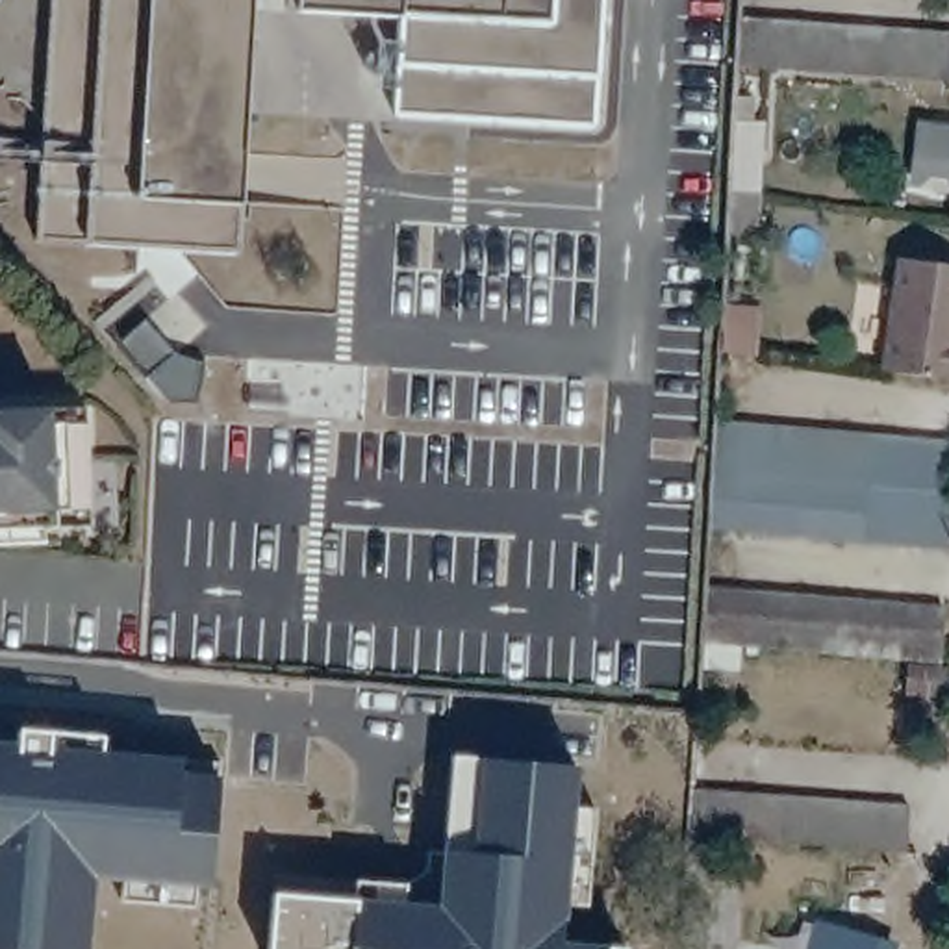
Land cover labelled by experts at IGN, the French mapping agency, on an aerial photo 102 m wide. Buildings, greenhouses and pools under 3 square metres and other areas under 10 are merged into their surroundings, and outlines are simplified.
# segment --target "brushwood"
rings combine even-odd
[[[775,938],[749,942],[745,949],[808,949],[816,923],[812,908],[823,908],[819,897],[793,893],[790,912],[782,912],[771,923]]]
[[[133,426],[108,397],[93,393],[85,393],[85,408],[96,408],[96,460],[115,460],[122,471],[119,526],[108,526],[108,512],[96,512],[96,534],[89,541],[59,538],[67,556],[126,560],[126,552],[133,549]]]
[[[504,671],[411,671],[378,664],[352,667],[289,656],[215,652],[222,671],[278,678],[337,678],[367,686],[426,686],[456,690],[456,701],[508,701],[549,708],[560,697],[582,704],[675,708],[686,712],[686,719],[701,715],[712,704],[734,704],[741,715],[753,708],[753,697],[738,686],[723,686],[719,675],[701,664],[704,641],[712,589],[712,578],[719,575],[715,567],[708,567],[708,526],[712,434],[715,423],[738,423],[741,408],[734,393],[730,363],[723,352],[723,315],[715,323],[701,319],[701,367],[686,371],[697,389],[701,423],[693,437],[697,452],[690,460],[690,486],[697,486],[697,497],[686,500],[693,523],[686,549],[690,589],[682,682],[656,693],[612,693],[608,686],[601,690],[593,678],[534,678],[530,671],[526,678],[512,682]]]
[[[871,363],[867,352],[860,352],[853,360],[853,371],[845,374],[897,382],[905,371],[882,363]]]
[[[808,341],[764,337],[760,352],[760,363],[767,367],[801,371],[819,352]]]
[[[905,230],[912,226],[934,237],[949,237],[949,200],[916,204],[905,189],[897,193],[897,200],[886,204],[879,219],[893,219]]]
[[[764,185],[760,219],[775,215],[782,204],[804,208],[812,215],[864,211],[864,200],[856,196],[823,196]]]
[[[701,219],[723,234],[730,193],[734,96],[734,78],[738,15],[745,15],[749,4],[741,0],[727,0],[727,11],[715,15],[719,63],[701,63],[708,78],[715,78],[719,96],[719,122],[708,137],[712,171],[704,174],[715,182],[715,193],[704,196]]]

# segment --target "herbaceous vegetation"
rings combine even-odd
[[[560,697],[549,708],[556,723],[586,723],[589,745],[578,767],[589,790],[586,808],[593,808],[597,816],[597,871],[593,905],[571,916],[567,934],[575,942],[601,942],[608,949],[612,949],[619,934],[612,916],[604,912],[604,890],[615,890],[615,901],[626,905],[634,897],[630,886],[652,823],[697,819],[697,790],[701,778],[693,775],[693,753],[704,745],[686,719],[686,712],[675,708],[582,704]]]
[[[271,949],[271,905],[282,890],[348,893],[356,879],[404,879],[411,886],[434,879],[441,882],[452,760],[460,753],[426,727],[426,775],[423,790],[415,793],[408,841],[363,834],[367,823],[356,816],[356,760],[330,738],[308,738],[300,778],[234,775],[222,782],[215,879],[196,886],[204,901],[196,908],[126,908],[119,890],[111,890],[111,879],[104,875],[96,882],[93,949]]]
[[[760,645],[756,656],[741,660],[741,671],[719,675],[723,686],[738,686],[753,697],[753,708],[741,715],[723,730],[723,741],[841,756],[897,756],[901,741],[908,741],[930,723],[949,745],[949,682],[938,686],[934,697],[908,697],[912,675],[905,660],[897,664],[838,656],[827,652],[827,645]]]
[[[200,400],[174,404],[152,378],[133,371],[133,363],[115,348],[111,330],[96,334],[104,356],[93,393],[108,397],[133,426],[141,419],[178,419],[182,430],[241,426],[248,408],[248,400],[241,400],[241,386],[248,382],[245,356],[204,356]]]
[[[756,382],[767,367],[760,363],[760,352],[730,363],[734,393]]]
[[[41,237],[41,167],[22,167],[19,159],[7,159],[0,167],[0,230],[26,252],[33,267],[44,271],[44,278],[56,282],[59,297],[67,297],[74,315],[93,330],[96,319],[119,297],[130,293],[130,285],[100,293],[89,285],[93,274],[133,271],[137,256],[89,252],[85,237]]]
[[[608,185],[608,178],[619,167],[623,137],[615,133],[612,141],[593,145],[589,133],[400,122],[382,148],[389,163],[404,174],[452,174],[456,163],[467,163],[467,178],[500,178],[504,171],[512,171],[523,182],[567,189],[593,189],[593,182]]]
[[[741,575],[738,552],[730,549],[738,534],[708,526],[708,567],[715,567],[719,575]]]
[[[348,130],[334,133],[330,119],[256,115],[252,133],[248,156],[345,159],[348,148]]]
[[[867,849],[797,853],[760,841],[753,849],[764,860],[764,879],[738,886],[741,938],[749,942],[775,938],[771,923],[782,912],[790,912],[793,893],[819,897],[823,908],[845,908],[849,886],[882,864]]]
[[[478,411],[452,411],[452,423],[423,423],[419,411],[393,415],[386,393],[386,367],[371,367],[367,411],[348,423],[348,434],[463,434],[463,441],[563,449],[608,445],[608,386],[597,374],[575,378],[575,397],[586,400],[582,426],[567,426],[563,415],[560,423],[541,419],[538,430],[530,430],[519,423],[482,423]]]
[[[252,241],[297,234],[308,252],[308,278],[293,282],[285,271],[267,271],[259,252],[252,248],[241,259],[189,263],[196,282],[208,285],[219,300],[271,300],[337,311],[341,204],[245,204],[237,215],[248,226]]]
[[[764,163],[764,185],[823,196],[856,196],[856,189],[845,185],[845,178],[838,174],[834,133],[841,126],[856,122],[886,130],[893,148],[912,156],[919,122],[949,122],[949,82],[845,70],[793,74],[778,82],[775,133],[771,156]]]
[[[756,326],[764,330],[764,337],[808,341],[808,334],[823,334],[849,319],[856,304],[856,282],[882,285],[882,256],[897,263],[949,263],[949,237],[934,237],[912,226],[905,230],[893,219],[879,219],[864,211],[812,215],[804,208],[782,204],[775,215],[775,226],[790,237],[790,248],[775,259],[771,289],[760,297],[741,297],[741,308],[756,308]]]
[[[0,319],[0,411],[85,408],[85,393],[78,393],[63,374],[52,371],[56,356],[41,345],[30,323],[22,323],[19,315]]]

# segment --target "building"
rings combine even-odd
[[[19,159],[22,167],[41,167],[41,237],[85,237],[89,252],[137,256],[141,245],[182,248],[189,263],[241,259],[252,248],[252,241],[248,226],[237,215],[245,204],[248,156],[252,133],[241,130],[241,122],[245,111],[252,111],[252,104],[245,100],[245,59],[256,59],[256,52],[248,48],[248,22],[256,22],[259,0],[52,0],[44,145],[19,148],[15,141],[0,137],[0,167],[7,159]]]
[[[871,938],[834,923],[816,923],[808,949],[897,949],[890,934]]]
[[[119,753],[104,730],[22,727],[15,741],[0,745],[0,949],[93,949],[96,882],[104,875],[111,879],[111,890],[119,890],[126,908],[196,908],[204,901],[196,886],[215,879],[222,782],[215,764],[185,775],[185,756]]]
[[[949,200],[949,122],[919,122],[912,156],[905,189],[916,204]]]
[[[949,552],[949,449],[945,437],[882,437],[738,423],[715,423],[712,434],[708,526],[738,534]]]
[[[756,74],[760,82],[767,82],[775,67],[793,67],[793,74],[845,70],[949,82],[949,33],[745,15],[738,15],[734,78],[749,82],[749,74]]]
[[[697,882],[701,897],[686,912],[686,930],[660,934],[656,949],[745,949],[749,942],[741,938],[738,886],[708,875],[701,860],[686,864],[686,875]]]
[[[756,308],[741,308],[723,308],[723,315],[723,352],[730,363],[760,352],[764,337],[764,330],[756,326]]]
[[[697,819],[693,845],[712,845],[719,838],[745,830],[753,849],[760,841],[797,853],[867,849],[882,864],[890,864],[897,853],[912,853],[916,845],[908,830],[908,797],[901,804],[864,804],[697,790]]]
[[[323,11],[382,11],[382,22],[397,22],[393,111],[400,122],[589,133],[604,126],[608,104],[612,0],[293,0],[297,7]]]
[[[908,697],[934,697],[938,686],[949,682],[949,597],[860,589],[853,601],[838,601],[827,593],[786,593],[790,582],[756,593],[712,589],[704,641],[760,645],[827,645],[827,652],[838,656],[897,664],[905,660],[912,675]]]
[[[271,905],[271,949],[608,949],[601,942],[575,942],[567,934],[571,916],[593,905],[597,871],[597,816],[593,808],[586,808],[589,790],[578,767],[575,760],[530,764],[460,753],[452,760],[441,882],[434,879],[411,886],[404,879],[356,879],[348,893],[282,890]]]
[[[730,193],[723,234],[723,248],[738,248],[734,278],[745,278],[749,241],[741,230],[756,226],[760,219],[764,185],[764,163],[771,156],[775,133],[764,122],[756,122],[756,100],[734,96]]]
[[[949,393],[949,263],[897,263],[890,330],[882,334],[882,363],[905,371],[897,382],[912,389]]]
[[[48,545],[48,538],[59,538],[89,541],[96,534],[96,512],[96,460],[96,408],[85,408],[0,411],[0,541],[7,549],[22,549]]]

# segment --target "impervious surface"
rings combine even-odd
[[[7,549],[0,541],[0,745],[15,741],[22,727],[104,730],[119,753],[185,756],[185,775],[215,764],[222,782],[234,775],[300,778],[308,738],[330,738],[356,760],[356,816],[367,823],[363,834],[408,841],[415,793],[423,790],[426,775],[426,727],[460,753],[530,764],[575,760],[578,767],[589,745],[586,723],[556,723],[549,708],[508,701],[456,701],[456,690],[426,686],[367,686],[337,678],[278,678],[222,671],[215,652],[289,656],[352,667],[378,664],[411,671],[504,671],[512,682],[526,678],[530,671],[534,678],[593,678],[601,690],[608,686],[612,693],[656,693],[682,682],[690,589],[686,549],[693,523],[686,500],[697,497],[697,486],[690,486],[690,460],[697,452],[693,437],[701,423],[697,389],[686,371],[701,367],[701,319],[704,300],[693,297],[693,282],[701,278],[701,271],[693,267],[693,259],[704,245],[723,248],[723,234],[701,219],[704,196],[715,193],[715,182],[704,174],[712,171],[708,137],[719,122],[719,96],[715,78],[708,78],[701,63],[719,63],[715,15],[727,11],[727,0],[612,0],[608,104],[604,126],[589,133],[593,145],[612,141],[615,133],[623,137],[619,167],[608,178],[608,185],[593,182],[593,189],[567,189],[523,182],[512,171],[504,171],[500,178],[467,178],[467,163],[456,163],[452,174],[404,174],[389,163],[382,148],[400,122],[393,111],[397,22],[382,22],[382,11],[323,11],[297,7],[293,0],[259,0],[256,22],[248,22],[248,48],[256,52],[256,59],[245,59],[245,100],[252,104],[252,111],[245,111],[241,122],[241,130],[252,133],[256,115],[330,119],[334,133],[348,130],[348,148],[345,159],[248,156],[245,204],[341,204],[337,311],[271,300],[219,300],[208,285],[196,282],[189,263],[182,248],[141,245],[137,256],[133,271],[93,274],[89,285],[100,293],[130,285],[130,293],[119,297],[96,319],[93,330],[96,334],[111,330],[115,348],[133,363],[133,371],[152,378],[174,404],[200,400],[204,356],[245,356],[248,382],[241,386],[241,400],[248,400],[248,408],[241,426],[182,430],[178,419],[141,419],[133,426],[133,549],[126,552],[126,560],[67,556],[59,538],[48,538],[48,545],[22,549]],[[419,411],[423,423],[452,423],[452,411],[478,411],[482,423],[519,423],[530,430],[538,430],[541,419],[560,423],[563,415],[567,426],[582,426],[586,400],[575,397],[575,378],[597,374],[608,386],[608,445],[563,449],[463,441],[463,434],[348,434],[348,423],[367,411],[371,367],[386,367],[386,393],[393,415]]]
[[[122,471],[115,460],[96,460],[96,512],[108,512],[108,526],[119,526]]]
[[[749,74],[749,82],[734,78],[734,96],[756,100],[756,122],[764,122],[775,133],[778,82],[793,74],[793,67],[775,67],[767,82],[760,82],[756,74]]]
[[[849,319],[860,352],[867,352],[871,363],[882,363],[882,334],[890,330],[897,263],[882,256],[882,285],[856,282],[856,304]]]
[[[15,141],[19,148],[44,145],[52,0],[0,0],[0,137]]]
[[[719,675],[741,671],[741,660],[756,656],[760,645],[704,641],[701,664]]]

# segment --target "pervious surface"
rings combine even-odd
[[[949,393],[912,389],[897,382],[845,374],[801,371],[767,367],[756,382],[734,393],[741,408],[738,423],[882,437],[945,437],[949,449]]]
[[[749,4],[745,15],[949,33],[949,0],[741,0]]]
[[[693,775],[701,778],[697,790],[864,804],[901,804],[908,797],[908,830],[916,845],[912,853],[897,853],[890,864],[882,864],[849,886],[845,908],[823,908],[812,908],[816,923],[834,923],[871,938],[890,934],[897,949],[949,949],[949,760],[912,764],[897,756],[841,756],[723,741],[704,745],[693,753]]]
[[[712,578],[712,589],[756,593],[790,582],[786,593],[827,593],[838,601],[853,601],[860,589],[949,597],[949,552],[738,534],[730,549],[738,552],[741,575],[719,575]]]

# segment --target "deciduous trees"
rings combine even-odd
[[[864,200],[864,211],[879,219],[886,204],[897,200],[897,193],[905,189],[912,156],[893,148],[886,130],[856,122],[841,126],[834,133],[838,174],[845,178],[845,185],[856,189],[856,196]]]
[[[734,704],[712,704],[701,715],[686,719],[704,745],[723,741],[723,730],[741,715]]]
[[[252,248],[259,252],[267,271],[285,271],[293,282],[308,278],[308,252],[297,234],[252,241]]]
[[[901,741],[897,756],[912,764],[949,760],[949,745],[930,723],[908,741]]]
[[[604,912],[612,916],[619,934],[612,949],[656,949],[660,934],[686,930],[686,912],[701,897],[697,882],[686,875],[686,864],[701,860],[708,875],[738,886],[764,879],[764,860],[753,849],[745,830],[719,838],[712,845],[693,845],[697,819],[652,823],[630,886],[634,897],[626,905],[615,901],[615,890],[604,890]]]
[[[44,278],[44,271],[33,267],[26,252],[0,230],[0,319],[19,315],[22,323],[30,323],[41,345],[56,356],[52,371],[63,374],[78,393],[85,393],[93,393],[104,356],[96,334],[93,330],[74,315],[67,297],[59,297],[56,282]]]
[[[741,308],[741,297],[760,297],[771,289],[775,259],[790,248],[790,237],[775,226],[775,215],[760,219],[756,226],[741,230],[749,241],[745,278],[734,278],[738,248],[723,248],[704,245],[693,259],[693,267],[701,271],[701,278],[693,282],[693,297],[704,300],[701,319],[715,323],[723,315],[723,308]]]
[[[853,360],[860,352],[849,319],[823,334],[808,334],[808,341],[819,352],[801,371],[845,374],[853,371]]]

